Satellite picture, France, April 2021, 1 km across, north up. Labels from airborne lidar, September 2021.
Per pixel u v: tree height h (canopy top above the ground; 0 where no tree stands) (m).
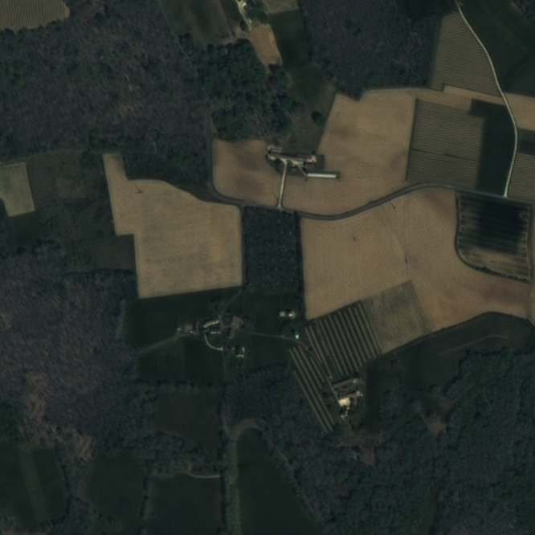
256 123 19
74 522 16
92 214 0
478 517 17
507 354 18
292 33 0
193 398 0
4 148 13
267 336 0
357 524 23
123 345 16
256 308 0
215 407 0
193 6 0
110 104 15
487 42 0
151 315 0
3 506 0
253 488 0
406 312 0
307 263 0
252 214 14
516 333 0
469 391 25
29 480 0
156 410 12
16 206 0
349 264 0
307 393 0
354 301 0
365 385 0
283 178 0
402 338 0
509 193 0
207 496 0
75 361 19
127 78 15
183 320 0
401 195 0
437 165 0
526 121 0
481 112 0
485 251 0
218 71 16
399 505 20
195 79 11
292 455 24
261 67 20
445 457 25
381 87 10
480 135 0
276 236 17
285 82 22
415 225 0
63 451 21
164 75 14
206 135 18
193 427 0
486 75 0
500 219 0
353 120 0
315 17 17
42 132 15
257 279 15
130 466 0
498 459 20
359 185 0
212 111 22
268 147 0
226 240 0
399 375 7
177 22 0
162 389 19
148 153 19
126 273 8
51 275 19
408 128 0
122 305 24
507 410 21
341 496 14
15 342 17
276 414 23
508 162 0
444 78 0
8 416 23
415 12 0
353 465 17
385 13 15
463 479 23
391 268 0
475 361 20
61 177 0
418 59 18
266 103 24
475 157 0
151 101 21
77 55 13
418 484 24
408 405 7
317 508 27
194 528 0
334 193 0
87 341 20
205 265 0
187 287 0
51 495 0
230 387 17
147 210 0
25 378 19
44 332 18
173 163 28
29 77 16
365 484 17
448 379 0
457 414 17
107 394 17
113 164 0
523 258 0
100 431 24
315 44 15
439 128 0
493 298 0
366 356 0
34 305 17
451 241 0
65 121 19
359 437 0
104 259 0
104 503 0
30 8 0
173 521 0
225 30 0
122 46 14
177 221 0
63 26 17
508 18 0
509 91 0
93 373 21
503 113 0
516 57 0
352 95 16
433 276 0
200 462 16
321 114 0
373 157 0
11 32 0
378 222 0
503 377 19
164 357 0
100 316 18
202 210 0
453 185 0
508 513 18
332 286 0
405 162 0
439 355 0
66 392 19
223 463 27
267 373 18
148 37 12
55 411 16
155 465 19
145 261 0
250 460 0
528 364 20
